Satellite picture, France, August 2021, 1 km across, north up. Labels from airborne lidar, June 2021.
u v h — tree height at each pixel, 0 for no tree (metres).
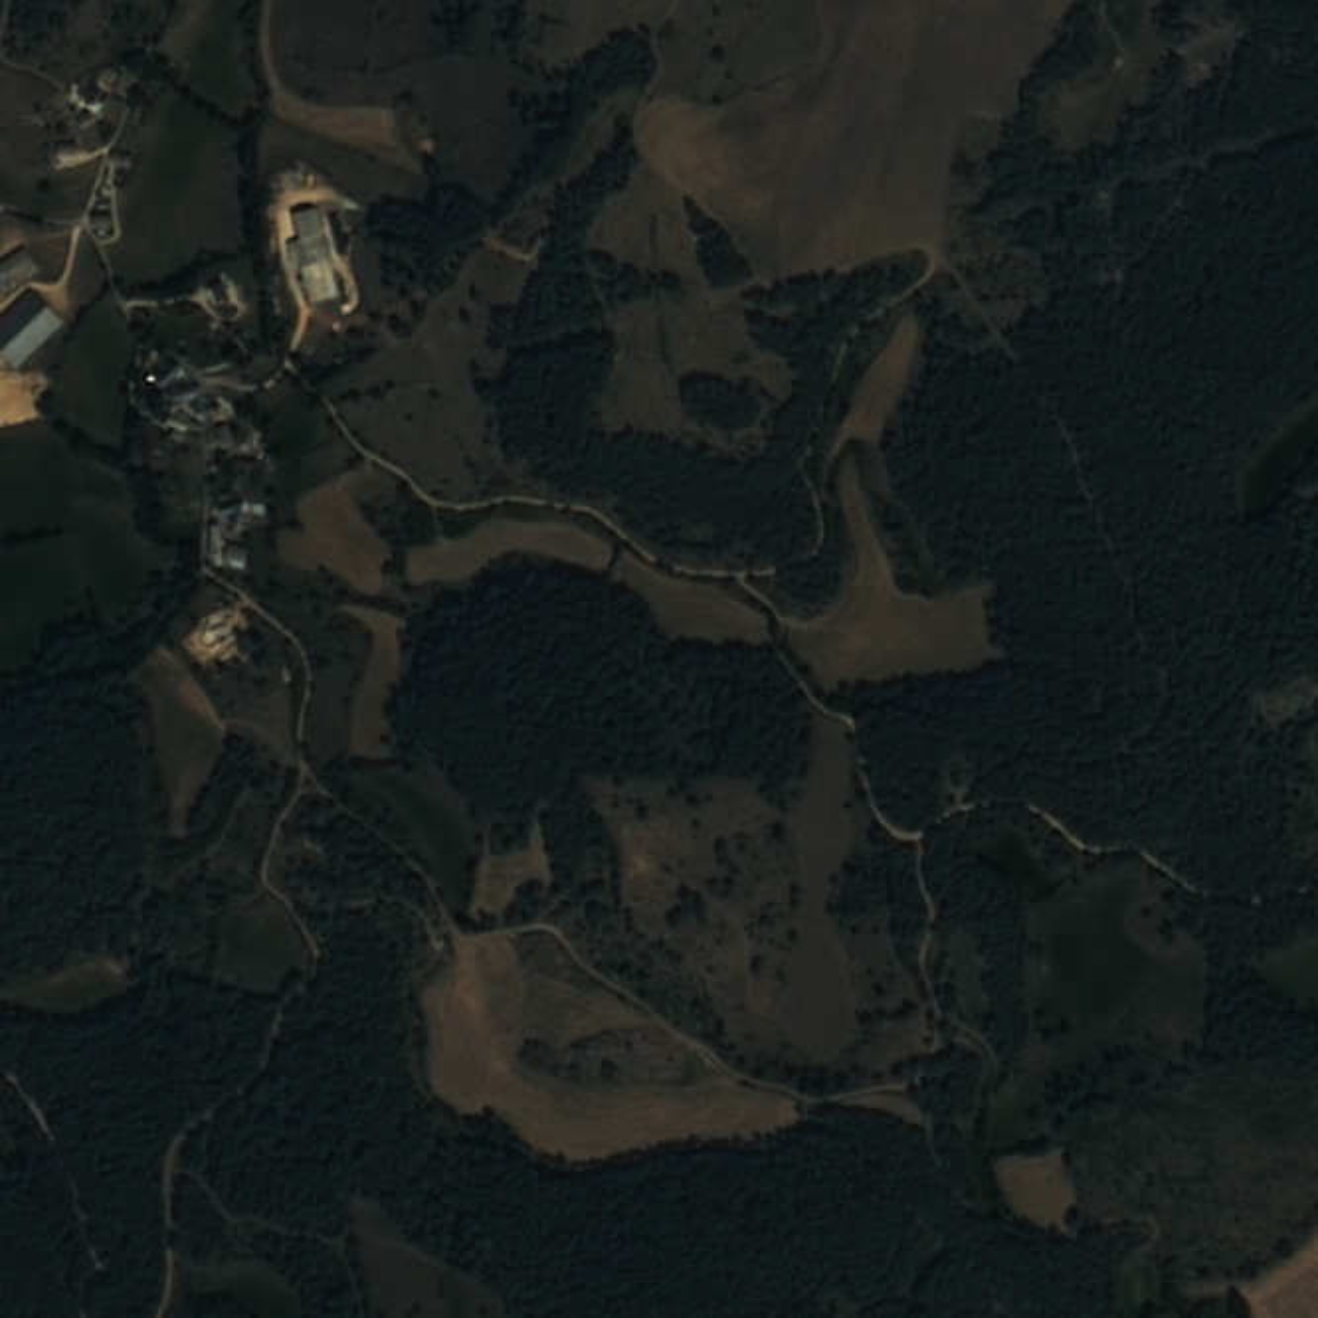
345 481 0
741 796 0
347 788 7
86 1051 15
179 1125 13
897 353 0
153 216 0
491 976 0
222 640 0
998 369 9
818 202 0
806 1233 12
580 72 10
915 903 9
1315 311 11
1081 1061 0
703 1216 16
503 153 0
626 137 11
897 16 0
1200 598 11
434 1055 0
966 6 0
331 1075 14
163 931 14
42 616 0
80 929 14
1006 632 17
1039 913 0
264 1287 0
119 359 0
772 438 8
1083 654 13
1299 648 13
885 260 0
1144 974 0
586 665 10
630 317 0
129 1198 16
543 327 17
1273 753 13
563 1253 14
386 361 0
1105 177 7
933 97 0
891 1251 13
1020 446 12
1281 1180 0
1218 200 12
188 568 9
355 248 0
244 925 0
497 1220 15
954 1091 14
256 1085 13
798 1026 0
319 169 0
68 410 0
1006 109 0
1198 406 7
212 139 0
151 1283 12
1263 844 12
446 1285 0
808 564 9
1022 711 16
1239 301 10
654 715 9
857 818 0
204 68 0
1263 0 7
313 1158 12
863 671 0
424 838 0
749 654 17
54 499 0
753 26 0
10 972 13
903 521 7
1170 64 7
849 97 0
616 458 11
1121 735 10
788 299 11
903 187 0
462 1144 10
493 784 13
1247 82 13
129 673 8
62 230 0
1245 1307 13
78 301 0
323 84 0
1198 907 16
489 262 0
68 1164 15
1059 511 12
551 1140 0
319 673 7
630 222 0
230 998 14
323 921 12
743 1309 12
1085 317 12
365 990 14
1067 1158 7
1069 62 16
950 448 15
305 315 0
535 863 0
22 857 10
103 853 12
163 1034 18
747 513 13
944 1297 13
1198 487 17
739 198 0
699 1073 0
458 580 0
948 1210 13
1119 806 11
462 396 0
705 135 0
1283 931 15
